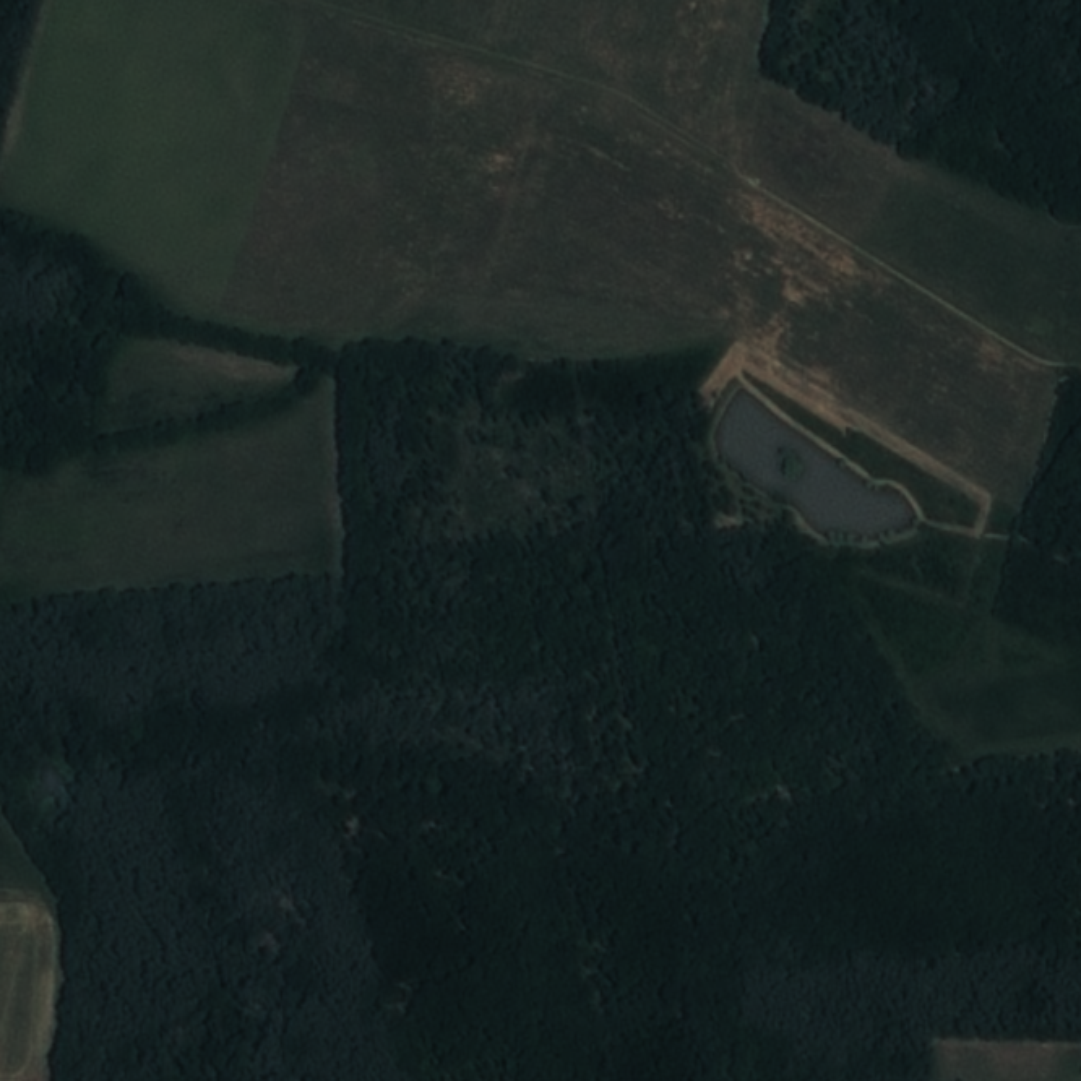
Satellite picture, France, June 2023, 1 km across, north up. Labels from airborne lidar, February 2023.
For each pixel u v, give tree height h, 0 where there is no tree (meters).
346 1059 27
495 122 0
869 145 0
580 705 23
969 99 19
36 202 0
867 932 23
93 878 19
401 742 20
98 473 0
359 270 0
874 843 22
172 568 0
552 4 0
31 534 0
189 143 0
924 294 0
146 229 0
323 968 22
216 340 20
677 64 0
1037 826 23
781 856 20
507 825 22
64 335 9
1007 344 0
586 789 23
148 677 24
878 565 9
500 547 19
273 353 18
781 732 21
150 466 0
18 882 0
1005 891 23
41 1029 0
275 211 0
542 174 0
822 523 0
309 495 0
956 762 0
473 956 26
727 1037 23
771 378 0
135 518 0
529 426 22
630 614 20
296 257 0
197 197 0
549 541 19
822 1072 20
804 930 20
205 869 23
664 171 0
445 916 27
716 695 23
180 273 0
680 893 24
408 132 0
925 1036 24
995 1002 23
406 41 0
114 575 0
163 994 26
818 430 0
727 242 0
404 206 0
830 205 0
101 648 26
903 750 24
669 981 24
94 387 24
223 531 0
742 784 17
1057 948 21
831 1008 24
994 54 22
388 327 0
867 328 0
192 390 0
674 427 18
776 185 0
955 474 0
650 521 24
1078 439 19
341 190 0
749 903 25
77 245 18
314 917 24
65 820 13
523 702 23
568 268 0
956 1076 0
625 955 23
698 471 15
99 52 0
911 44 19
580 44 0
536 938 22
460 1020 21
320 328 0
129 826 25
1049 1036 14
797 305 0
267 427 0
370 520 22
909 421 0
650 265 0
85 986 22
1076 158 28
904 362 0
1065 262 0
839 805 20
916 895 22
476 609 22
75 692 27
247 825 29
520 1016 17
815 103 15
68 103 0
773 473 0
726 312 0
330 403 0
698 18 0
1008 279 0
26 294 18
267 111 0
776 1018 27
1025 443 0
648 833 26
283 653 26
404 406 18
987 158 7
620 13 0
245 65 0
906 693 21
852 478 0
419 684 16
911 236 0
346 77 0
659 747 23
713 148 0
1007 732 0
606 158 0
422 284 0
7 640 25
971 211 0
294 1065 28
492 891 19
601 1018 23
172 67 0
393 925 20
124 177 0
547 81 0
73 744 22
